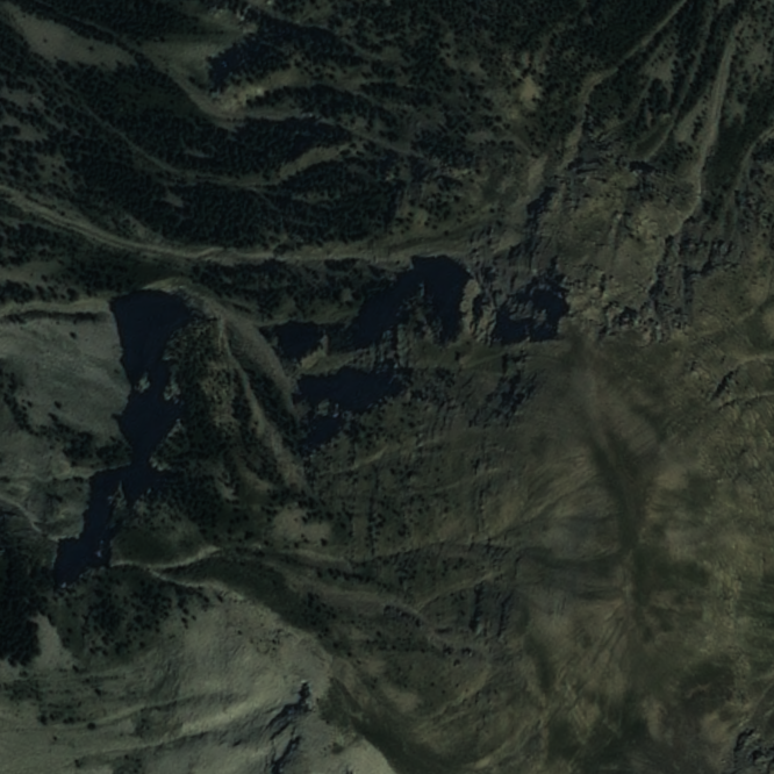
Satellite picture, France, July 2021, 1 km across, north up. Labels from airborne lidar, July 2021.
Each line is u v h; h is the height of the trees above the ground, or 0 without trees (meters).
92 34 11
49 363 0
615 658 0
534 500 0
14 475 0
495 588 0
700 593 0
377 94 9
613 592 0
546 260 0
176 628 0
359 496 0
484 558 0
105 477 0
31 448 0
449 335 0
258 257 0
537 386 0
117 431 0
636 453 0
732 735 0
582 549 0
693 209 0
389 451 0
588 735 0
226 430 6
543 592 0
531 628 0
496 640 0
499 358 0
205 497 10
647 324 0
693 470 0
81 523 0
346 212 11
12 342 0
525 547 0
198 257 0
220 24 0
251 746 0
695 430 0
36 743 0
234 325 0
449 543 0
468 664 0
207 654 0
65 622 0
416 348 0
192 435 13
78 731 0
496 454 0
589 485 0
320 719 0
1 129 9
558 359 0
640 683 0
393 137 10
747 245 0
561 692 0
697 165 0
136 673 0
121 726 0
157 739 0
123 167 16
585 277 0
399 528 0
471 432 0
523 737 0
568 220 0
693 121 0
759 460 0
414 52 8
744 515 0
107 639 10
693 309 0
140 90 12
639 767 0
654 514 0
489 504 0
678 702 0
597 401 0
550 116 7
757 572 0
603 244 0
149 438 0
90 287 10
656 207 0
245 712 0
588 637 0
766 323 0
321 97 15
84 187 7
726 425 0
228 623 0
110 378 0
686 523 0
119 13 16
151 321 0
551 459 0
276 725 0
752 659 0
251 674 0
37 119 12
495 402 0
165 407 0
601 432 0
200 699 0
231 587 0
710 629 0
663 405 0
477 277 0
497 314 0
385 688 0
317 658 0
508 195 0
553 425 0
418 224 0
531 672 0
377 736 0
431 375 0
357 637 0
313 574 0
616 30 9
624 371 0
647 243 0
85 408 0
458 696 0
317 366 0
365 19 6
